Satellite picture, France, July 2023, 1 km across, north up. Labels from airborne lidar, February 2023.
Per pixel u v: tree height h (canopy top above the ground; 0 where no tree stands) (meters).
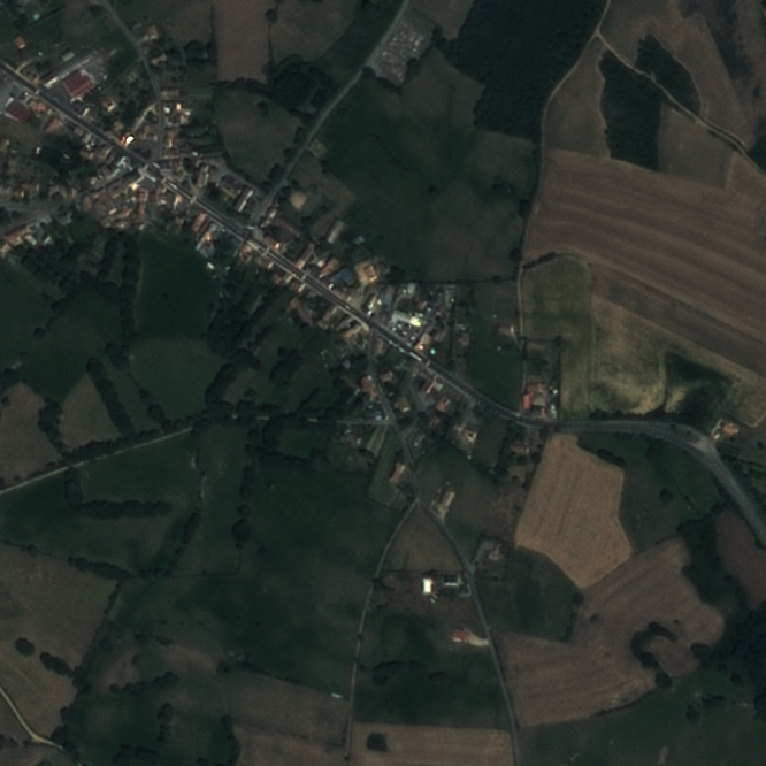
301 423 14
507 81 10
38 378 0
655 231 0
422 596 0
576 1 10
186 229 13
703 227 0
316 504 0
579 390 0
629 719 0
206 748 0
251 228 0
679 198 0
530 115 11
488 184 0
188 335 0
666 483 0
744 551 0
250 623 0
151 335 0
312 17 0
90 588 0
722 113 0
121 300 18
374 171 0
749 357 0
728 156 0
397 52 0
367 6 16
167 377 0
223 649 0
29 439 0
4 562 0
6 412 0
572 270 0
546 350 0
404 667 11
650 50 7
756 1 0
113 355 15
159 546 0
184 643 0
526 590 0
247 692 0
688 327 0
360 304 0
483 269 0
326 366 0
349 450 0
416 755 0
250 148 0
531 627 0
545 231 0
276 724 0
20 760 0
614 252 0
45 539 0
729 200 0
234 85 10
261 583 0
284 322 0
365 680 0
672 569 0
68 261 14
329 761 0
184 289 0
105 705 0
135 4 0
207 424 16
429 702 0
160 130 0
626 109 6
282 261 0
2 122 0
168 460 0
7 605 0
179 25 0
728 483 0
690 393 0
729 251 0
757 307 0
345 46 0
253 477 10
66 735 13
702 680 0
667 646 0
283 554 0
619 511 0
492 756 0
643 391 0
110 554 0
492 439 0
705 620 0
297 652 0
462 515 0
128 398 0
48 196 6
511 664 0
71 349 0
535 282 0
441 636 0
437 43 10
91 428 0
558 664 0
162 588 0
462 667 0
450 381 0
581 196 0
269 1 0
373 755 0
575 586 0
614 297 0
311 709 0
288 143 0
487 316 0
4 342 0
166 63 14
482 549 0
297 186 19
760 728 0
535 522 0
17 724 0
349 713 0
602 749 0
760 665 20
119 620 0
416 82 0
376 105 0
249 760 0
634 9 0
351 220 0
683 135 0
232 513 0
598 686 0
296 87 18
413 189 0
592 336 0
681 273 0
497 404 0
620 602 0
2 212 12
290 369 21
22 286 0
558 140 0
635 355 0
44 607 0
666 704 0
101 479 0
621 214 0
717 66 0
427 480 0
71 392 0
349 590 0
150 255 0
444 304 0
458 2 0
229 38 0
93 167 9
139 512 20
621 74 7
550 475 0
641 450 0
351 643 0
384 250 0
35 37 0
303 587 0
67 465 10
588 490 0
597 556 0
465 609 0
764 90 0
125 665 0
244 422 16
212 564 0
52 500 0
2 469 0
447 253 0
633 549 0
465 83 0
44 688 0
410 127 0
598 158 0
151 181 0
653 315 0
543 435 10
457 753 0
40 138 0
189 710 0
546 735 0
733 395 0
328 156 0
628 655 0
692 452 0
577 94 0
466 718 0
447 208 0
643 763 0
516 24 17
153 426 0
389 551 0
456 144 0
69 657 0
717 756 0
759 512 0
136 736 0
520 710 0
